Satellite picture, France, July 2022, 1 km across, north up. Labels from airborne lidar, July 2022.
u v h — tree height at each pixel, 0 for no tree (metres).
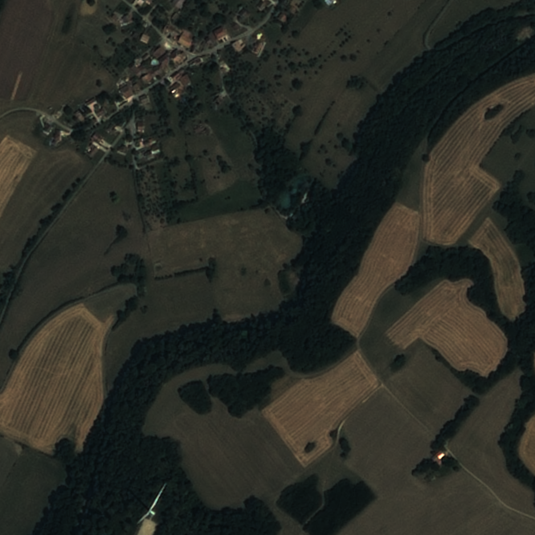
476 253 12
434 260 11
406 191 0
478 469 0
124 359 0
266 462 0
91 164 0
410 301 0
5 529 0
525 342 19
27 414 0
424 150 0
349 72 0
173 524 22
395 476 0
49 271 0
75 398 0
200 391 15
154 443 18
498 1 0
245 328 9
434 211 0
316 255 18
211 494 0
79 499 30
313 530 8
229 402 14
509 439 18
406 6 0
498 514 0
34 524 0
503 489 0
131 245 0
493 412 0
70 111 13
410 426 0
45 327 0
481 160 0
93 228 0
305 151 16
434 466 18
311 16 0
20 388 0
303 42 0
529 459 0
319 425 0
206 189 0
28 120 0
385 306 0
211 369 0
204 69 10
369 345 0
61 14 0
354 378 0
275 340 27
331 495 8
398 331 0
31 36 0
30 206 0
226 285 0
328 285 19
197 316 0
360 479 0
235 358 19
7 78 0
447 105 9
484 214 0
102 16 0
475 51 14
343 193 21
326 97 0
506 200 14
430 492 0
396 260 0
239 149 0
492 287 11
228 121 0
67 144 0
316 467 0
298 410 0
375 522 0
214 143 0
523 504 0
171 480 17
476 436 0
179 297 0
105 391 0
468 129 0
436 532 0
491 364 0
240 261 0
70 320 0
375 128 18
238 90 6
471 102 7
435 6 0
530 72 6
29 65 0
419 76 14
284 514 0
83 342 0
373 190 26
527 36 0
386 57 0
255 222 0
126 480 17
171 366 12
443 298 0
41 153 0
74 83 0
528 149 0
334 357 13
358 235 12
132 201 0
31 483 0
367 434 0
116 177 0
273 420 0
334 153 0
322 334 13
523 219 10
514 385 0
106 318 0
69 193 11
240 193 0
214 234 0
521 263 0
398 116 15
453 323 0
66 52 0
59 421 0
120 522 0
